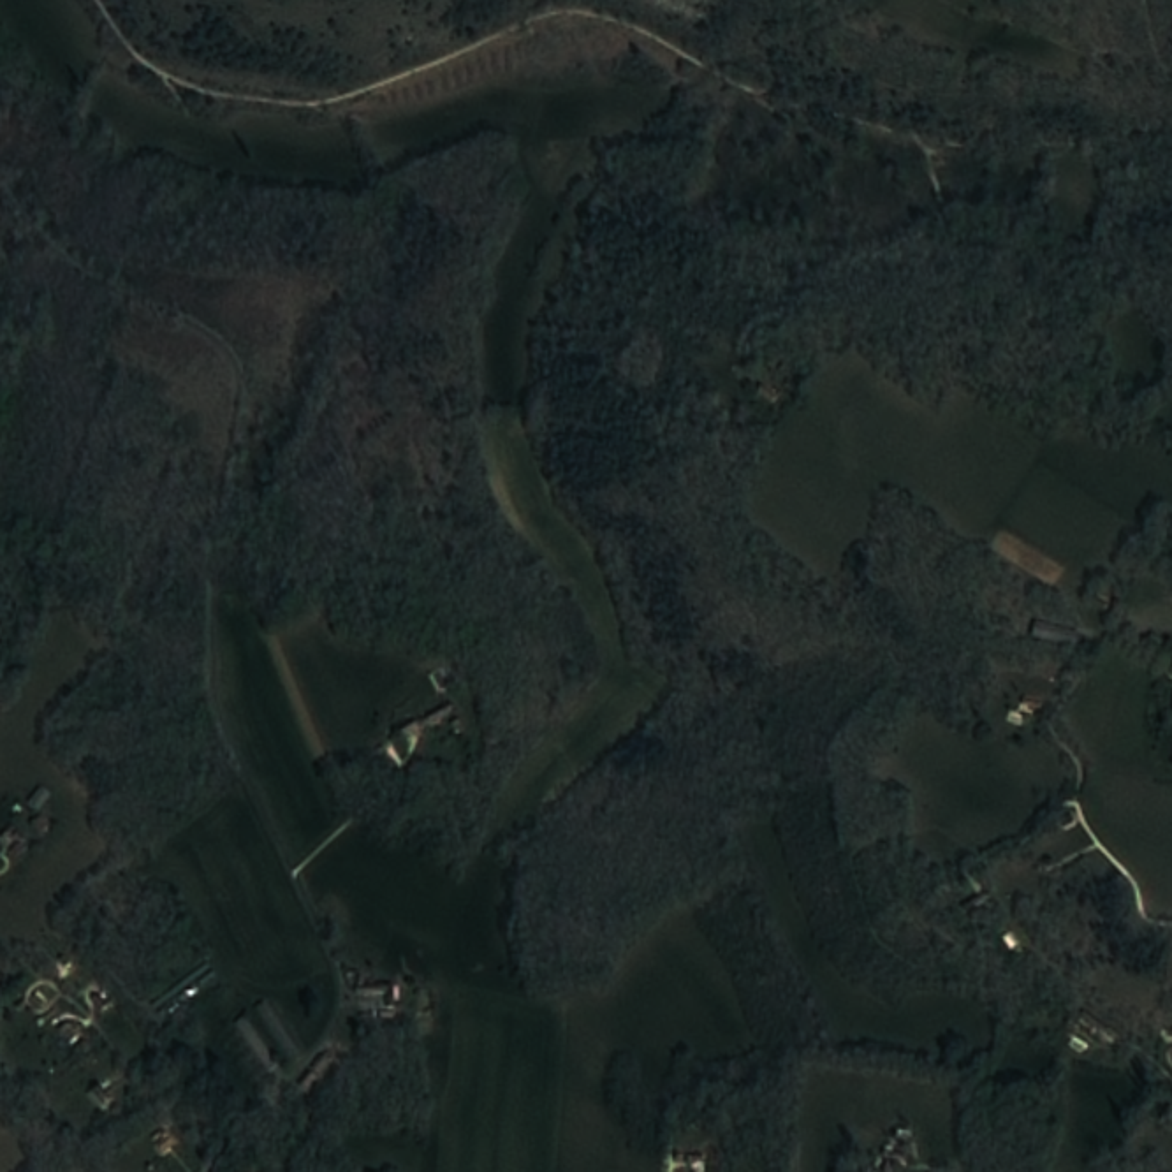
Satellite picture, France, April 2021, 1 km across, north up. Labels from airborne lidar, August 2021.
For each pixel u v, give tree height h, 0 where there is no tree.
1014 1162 19
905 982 13
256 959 0
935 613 16
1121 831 0
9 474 11
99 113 0
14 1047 0
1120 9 15
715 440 17
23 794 0
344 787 22
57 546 20
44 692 0
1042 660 9
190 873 0
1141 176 18
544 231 0
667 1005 0
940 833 0
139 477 22
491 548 14
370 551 24
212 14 10
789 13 13
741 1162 22
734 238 22
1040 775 0
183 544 21
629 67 7
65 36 0
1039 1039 12
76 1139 17
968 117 11
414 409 11
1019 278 15
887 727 19
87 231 16
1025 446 0
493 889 0
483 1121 0
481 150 16
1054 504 0
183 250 20
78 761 19
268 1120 22
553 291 12
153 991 20
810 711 13
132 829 23
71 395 12
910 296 20
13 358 21
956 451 0
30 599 12
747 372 16
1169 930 17
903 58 22
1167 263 11
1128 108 16
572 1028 0
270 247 16
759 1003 10
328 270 22
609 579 21
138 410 19
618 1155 0
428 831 22
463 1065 0
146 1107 13
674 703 17
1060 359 21
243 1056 9
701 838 22
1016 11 22
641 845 15
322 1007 21
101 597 25
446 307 14
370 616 23
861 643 18
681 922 0
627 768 19
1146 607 0
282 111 12
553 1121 0
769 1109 23
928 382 23
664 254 14
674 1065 11
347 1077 16
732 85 16
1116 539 0
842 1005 0
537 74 0
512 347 0
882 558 18
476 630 18
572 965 19
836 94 12
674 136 13
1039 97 19
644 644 14
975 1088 21
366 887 0
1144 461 0
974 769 0
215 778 19
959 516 0
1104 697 0
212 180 13
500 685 19
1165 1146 0
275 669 0
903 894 16
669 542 20
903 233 19
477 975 0
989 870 8
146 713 22
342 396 22
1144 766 0
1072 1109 0
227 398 0
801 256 18
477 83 0
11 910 0
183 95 9
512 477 0
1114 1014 8
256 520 23
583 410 22
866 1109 0
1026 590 9
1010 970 16
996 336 21
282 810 0
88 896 15
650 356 16
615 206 16
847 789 17
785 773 9
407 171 20
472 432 20
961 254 15
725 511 14
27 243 11
